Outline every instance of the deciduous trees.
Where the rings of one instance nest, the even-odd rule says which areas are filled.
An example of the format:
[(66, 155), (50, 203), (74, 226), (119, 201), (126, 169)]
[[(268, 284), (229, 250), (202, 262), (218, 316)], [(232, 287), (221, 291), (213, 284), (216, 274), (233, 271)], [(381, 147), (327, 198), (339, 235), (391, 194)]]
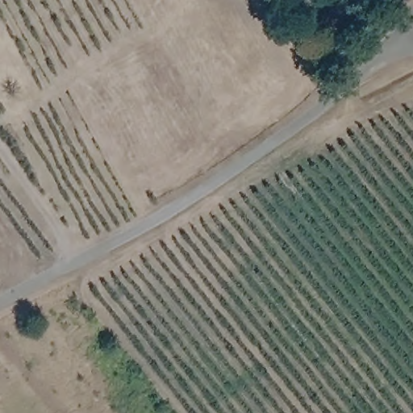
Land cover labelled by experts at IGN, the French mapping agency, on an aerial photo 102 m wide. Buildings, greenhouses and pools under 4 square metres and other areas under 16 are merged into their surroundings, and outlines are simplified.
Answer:
[(265, 245), (263, 248), (253, 244), (252, 239), (226, 210), (226, 206), (219, 203), (219, 210), (224, 218), (239, 232), (248, 247), (252, 248), (248, 253), (237, 244), (231, 232), (227, 231), (216, 215), (210, 213), (211, 221), (223, 234), (221, 239), (211, 231), (205, 218), (200, 216), (200, 224), (206, 234), (215, 240), (236, 268), (231, 271), (224, 265), (223, 260), (203, 239), (194, 224), (190, 224), (190, 231), (213, 255), (213, 260), (216, 260), (224, 273), (231, 277), (229, 282), (219, 276), (210, 260), (192, 242), (189, 234), (184, 229), (179, 229), (182, 239), (186, 240), (206, 269), (215, 276), (227, 294), (231, 295), (237, 307), (244, 311), (248, 321), (257, 327), (257, 331), (265, 337), (269, 347), (273, 348), (277, 357), (281, 358), (284, 366), (294, 374), (298, 384), (305, 389), (323, 413), (413, 413), (413, 150), (405, 142), (402, 134), (395, 131), (394, 126), (384, 118), (382, 124), (389, 129), (398, 144), (407, 150), (411, 160), (403, 158), (402, 153), (390, 144), (390, 140), (384, 136), (379, 126), (374, 126), (373, 129), (390, 152), (394, 153), (405, 171), (398, 173), (398, 169), (384, 155), (381, 147), (371, 139), (366, 129), (361, 131), (361, 137), (374, 148), (376, 155), (392, 171), (395, 176), (392, 181), (374, 161), (373, 156), (369, 155), (368, 150), (361, 145), (355, 134), (350, 136), (350, 139), (360, 150), (360, 155), (355, 155), (345, 144), (342, 148), (348, 155), (347, 161), (339, 156), (336, 163), (331, 165), (331, 161), (323, 155), (311, 155), (310, 158), (300, 161), (298, 165), (302, 166), (302, 176), (308, 184), (302, 187), (295, 177), (290, 177), (290, 182), (297, 189), (295, 194), (292, 194), (279, 179), (276, 181), (277, 186), (271, 187), (268, 184), (266, 187), (269, 194), (273, 195), (273, 202), (266, 200), (258, 190), (255, 192), (255, 197), (263, 205), (260, 210), (250, 202), (250, 198), (242, 198), (268, 229), (273, 239), (266, 239), (260, 229), (252, 223), (252, 219), (237, 205), (236, 200), (229, 198), (229, 203), (237, 215), (244, 219), (261, 244)]
[(89, 323), (94, 321), (97, 316), (94, 308), (87, 307), (82, 300), (77, 300), (76, 294), (71, 294), (66, 300), (69, 310), (79, 311)]
[(236, 319), (248, 340), (258, 348), (258, 352), (265, 357), (298, 402), (302, 403), (307, 413), (315, 413), (290, 379), (284, 376), (276, 361), (269, 357), (263, 345), (248, 331), (236, 311), (229, 307), (226, 298), (221, 297), (218, 290), (208, 281), (208, 277), (198, 269), (186, 248), (182, 248), (176, 237), (171, 236), (173, 244), (179, 248), (190, 268), (200, 276), (203, 284), (218, 298), (227, 313)]
[(392, 29), (407, 32), (413, 24), (413, 0), (265, 0), (269, 10), (265, 18), (261, 19), (263, 31), (268, 35), (268, 39), (274, 40), (276, 44), (292, 44), (295, 66), (310, 76), (311, 81), (316, 82), (316, 87), (319, 102), (327, 103), (331, 98), (334, 102), (339, 102), (345, 102), (348, 97), (357, 95), (360, 76), (357, 66), (371, 60), (381, 50), (381, 37)]
[(245, 365), (239, 353), (218, 331), (210, 316), (206, 315), (189, 290), (182, 286), (179, 277), (173, 274), (160, 255), (148, 245), (152, 257), (173, 279), (177, 289), (181, 290), (187, 302), (211, 327), (215, 336), (223, 342), (227, 352), (231, 353), (232, 358), (242, 368), (242, 374), (237, 374), (236, 369), (229, 365), (223, 353), (219, 352), (219, 348), (211, 342), (208, 334), (197, 323), (197, 319), (182, 305), (174, 290), (166, 284), (160, 274), (156, 273), (144, 255), (140, 255), (140, 261), (148, 269), (148, 273), (155, 277), (156, 282), (153, 284), (137, 268), (134, 261), (129, 261), (129, 265), (152, 292), (148, 297), (124, 268), (119, 268), (116, 273), (110, 271), (113, 284), (108, 284), (105, 277), (100, 277), (100, 282), (124, 311), (124, 315), (137, 327), (137, 331), (145, 337), (147, 344), (155, 352), (152, 357), (145, 352), (144, 345), (140, 344), (139, 339), (127, 329), (123, 319), (119, 318), (116, 311), (106, 303), (94, 282), (89, 282), (89, 290), (98, 302), (102, 303), (113, 321), (121, 327), (121, 331), (131, 340), (137, 352), (152, 366), (156, 376), (165, 382), (165, 386), (173, 392), (182, 407), (186, 408), (187, 413), (298, 413), (281, 387), (277, 386), (260, 361), (237, 336), (234, 327), (227, 323), (227, 319), (216, 310), (210, 298), (198, 287), (194, 277), (182, 268), (165, 240), (160, 240), (163, 252), (173, 261), (181, 274), (186, 276), (190, 286), (197, 290), (206, 307), (215, 313), (219, 323), (234, 337), (253, 366), (248, 368)]
[(103, 329), (97, 336), (100, 350), (105, 348), (106, 352), (113, 352), (119, 345), (118, 339), (110, 329)]
[(148, 398), (156, 413), (177, 413), (169, 405), (168, 400), (163, 400), (155, 390)]
[(21, 319), (16, 324), (23, 336), (39, 339), (44, 334), (48, 324), (45, 316), (40, 313), (39, 316)]

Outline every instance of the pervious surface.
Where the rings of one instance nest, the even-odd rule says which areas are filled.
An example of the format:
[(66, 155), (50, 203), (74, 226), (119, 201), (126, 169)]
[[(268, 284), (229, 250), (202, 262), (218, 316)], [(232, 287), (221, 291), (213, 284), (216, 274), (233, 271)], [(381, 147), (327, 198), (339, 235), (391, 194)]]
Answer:
[(77, 224), (61, 224), (55, 210), (42, 194), (32, 186), (8, 145), (0, 139), (0, 158), (5, 161), (11, 176), (26, 190), (35, 208), (40, 211), (47, 226), (42, 231), (52, 247), (55, 252), (53, 265), (60, 266), (61, 263), (66, 263), (94, 245), (89, 239), (82, 237)]

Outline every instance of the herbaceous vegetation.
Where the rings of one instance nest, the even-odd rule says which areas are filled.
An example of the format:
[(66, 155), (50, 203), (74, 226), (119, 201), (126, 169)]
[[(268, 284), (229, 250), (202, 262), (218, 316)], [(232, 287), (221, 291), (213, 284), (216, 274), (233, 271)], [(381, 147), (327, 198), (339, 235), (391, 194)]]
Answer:
[(40, 211), (35, 208), (26, 190), (11, 176), (5, 161), (0, 158), (0, 177), (11, 190), (11, 194), (15, 195), (16, 200), (26, 208), (27, 215), (31, 216), (35, 226), (42, 231), (47, 226)]
[[(237, 244), (248, 253), (252, 248), (248, 247), (239, 232), (224, 218), (219, 210), (219, 203), (226, 206), (226, 210), (252, 239), (253, 244), (263, 248), (265, 245), (261, 244), (244, 219), (237, 215), (229, 203), (229, 198), (236, 200), (237, 205), (252, 219), (252, 223), (260, 229), (266, 239), (273, 239), (268, 229), (242, 198), (250, 198), (250, 202), (260, 210), (263, 205), (255, 197), (255, 192), (258, 190), (266, 200), (273, 202), (273, 195), (269, 194), (266, 187), (268, 184), (271, 187), (277, 186), (276, 181), (279, 179), (292, 194), (295, 194), (297, 189), (290, 182), (290, 177), (295, 177), (302, 187), (308, 184), (302, 176), (302, 166), (298, 165), (300, 161), (310, 158), (311, 155), (323, 155), (331, 161), (331, 165), (336, 163), (339, 156), (347, 161), (348, 155), (342, 148), (345, 144), (355, 155), (360, 155), (360, 150), (350, 139), (350, 136), (355, 134), (361, 145), (368, 150), (369, 155), (373, 156), (374, 161), (392, 181), (395, 176), (392, 171), (376, 155), (374, 148), (361, 137), (361, 131), (366, 129), (371, 139), (381, 147), (384, 155), (398, 169), (398, 173), (405, 171), (394, 153), (390, 152), (373, 129), (374, 126), (379, 126), (384, 136), (390, 140), (390, 144), (402, 153), (403, 158), (411, 160), (407, 150), (398, 144), (389, 129), (382, 124), (384, 118), (394, 126), (395, 131), (402, 134), (405, 142), (413, 150), (413, 53), (403, 56), (402, 63), (378, 81), (366, 79), (363, 74), (360, 76), (357, 95), (348, 97), (345, 102), (339, 102), (339, 108), (329, 123), (311, 126), (297, 139), (277, 148), (276, 152), (255, 165), (240, 169), (231, 179), (221, 184), (221, 189), (213, 197), (205, 200), (200, 198), (197, 202), (190, 203), (173, 218), (168, 218), (153, 229), (132, 237), (119, 247), (111, 248), (103, 253), (102, 257), (92, 258), (71, 269), (69, 273), (60, 274), (60, 281), (48, 284), (44, 289), (35, 290), (26, 300), (18, 300), (15, 311), (6, 307), (0, 310), (0, 413), (116, 413), (111, 410), (110, 403), (106, 400), (106, 382), (102, 369), (87, 360), (87, 348), (82, 347), (87, 340), (86, 337), (97, 336), (103, 329), (110, 329), (118, 339), (119, 345), (126, 350), (132, 360), (139, 363), (147, 378), (153, 382), (155, 390), (163, 400), (168, 400), (169, 405), (177, 413), (187, 413), (186, 408), (182, 407), (173, 392), (165, 386), (165, 382), (156, 376), (152, 366), (137, 352), (131, 340), (121, 331), (121, 327), (113, 321), (102, 303), (98, 302), (89, 290), (89, 282), (94, 282), (106, 303), (116, 311), (119, 318), (123, 319), (127, 329), (139, 339), (140, 344), (144, 345), (145, 352), (152, 357), (155, 352), (147, 344), (145, 337), (137, 331), (137, 327), (124, 315), (124, 311), (100, 282), (100, 277), (105, 277), (108, 284), (113, 284), (110, 271), (116, 273), (119, 268), (124, 268), (148, 297), (152, 292), (129, 265), (129, 261), (134, 261), (137, 268), (153, 284), (156, 282), (155, 277), (148, 273), (148, 269), (140, 261), (140, 255), (144, 255), (156, 273), (160, 274), (166, 284), (174, 290), (182, 305), (197, 319), (197, 323), (208, 334), (211, 342), (219, 348), (219, 352), (223, 353), (229, 365), (236, 369), (237, 374), (242, 374), (242, 368), (232, 358), (231, 353), (227, 352), (223, 342), (215, 336), (211, 327), (187, 302), (181, 290), (177, 289), (173, 279), (152, 257), (148, 245), (160, 255), (173, 274), (179, 277), (182, 286), (189, 290), (206, 315), (210, 316), (218, 331), (239, 353), (245, 365), (248, 368), (253, 366), (234, 337), (219, 323), (215, 313), (206, 307), (197, 290), (190, 286), (186, 276), (181, 274), (173, 261), (163, 252), (160, 240), (165, 240), (182, 268), (194, 277), (198, 287), (210, 298), (216, 310), (227, 319), (227, 323), (234, 327), (237, 336), (260, 361), (277, 386), (281, 387), (298, 413), (307, 413), (302, 403), (298, 402), (265, 357), (258, 352), (258, 348), (248, 340), (236, 319), (227, 313), (218, 298), (203, 284), (200, 276), (190, 268), (179, 248), (173, 244), (171, 236), (176, 237), (182, 248), (186, 248), (198, 269), (208, 277), (208, 281), (218, 290), (221, 297), (226, 298), (229, 307), (236, 311), (248, 331), (263, 345), (269, 357), (276, 361), (284, 376), (290, 379), (315, 413), (323, 413), (305, 389), (298, 384), (294, 374), (284, 366), (281, 358), (277, 357), (273, 348), (269, 347), (265, 337), (257, 331), (257, 327), (248, 321), (244, 311), (237, 307), (231, 295), (227, 294), (215, 276), (206, 269), (186, 240), (182, 239), (179, 229), (184, 229), (189, 234), (192, 242), (210, 260), (219, 276), (229, 282), (231, 277), (224, 273), (216, 260), (213, 260), (213, 255), (190, 231), (190, 224), (194, 224), (203, 239), (223, 260), (224, 265), (231, 271), (236, 268), (215, 240), (206, 234), (200, 224), (200, 216), (205, 218), (211, 231), (221, 239), (223, 234), (211, 221), (210, 213), (216, 215), (227, 231), (231, 232)], [(69, 310), (66, 300), (71, 294), (76, 294), (77, 300), (82, 300), (87, 307), (94, 308), (97, 316), (94, 321), (89, 323), (79, 311)], [(40, 313), (45, 316), (48, 324), (44, 334), (39, 339), (23, 336), (16, 324), (21, 319), (39, 316)]]
[[(234, 156), (250, 152), (266, 137), (273, 136), (276, 127), (273, 121), (277, 121), (284, 111), (297, 105), (303, 95), (316, 87), (316, 82), (311, 81), (310, 76), (295, 66), (292, 44), (276, 44), (274, 40), (268, 39), (268, 35), (263, 31), (261, 19), (265, 18), (269, 10), (265, 0), (76, 0), (100, 42), (100, 50), (97, 50), (69, 0), (0, 0), (0, 124), (6, 131), (10, 131), (21, 152), (26, 155), (35, 177), (45, 189), (45, 194), (42, 194), (55, 210), (61, 224), (77, 224), (68, 203), (56, 189), (52, 174), (48, 173), (44, 161), (40, 160), (40, 156), (24, 136), (23, 127), (29, 127), (35, 142), (44, 150), (50, 161), (53, 173), (58, 174), (60, 186), (66, 190), (69, 200), (79, 213), (82, 224), (89, 232), (89, 239), (94, 245), (118, 236), (129, 227), (139, 224), (147, 213), (155, 213), (160, 206), (179, 200), (203, 182), (210, 181), (223, 166), (234, 160)], [(76, 35), (66, 24), (60, 8), (68, 11), (69, 18), (89, 48), (89, 55), (82, 52), (82, 48), (77, 44)], [(77, 165), (68, 145), (63, 145), (66, 156), (82, 181), (82, 184), (74, 181), (68, 165), (63, 160), (60, 147), (56, 144), (52, 129), (48, 127), (47, 119), (40, 111), (40, 108), (44, 108), (48, 115), (52, 116), (48, 110), (48, 102), (55, 106), (61, 123), (65, 124), (69, 139), (87, 169), (90, 169), (90, 163), (82, 153), (81, 145), (77, 144), (74, 136), (76, 127), (82, 140), (86, 142), (90, 155), (94, 156), (95, 165), (116, 197), (121, 195), (121, 190), (116, 189), (110, 174), (103, 166), (103, 161), (110, 163), (137, 213), (136, 218), (132, 218), (129, 223), (124, 221), (118, 210), (115, 211), (115, 216), (118, 218), (119, 226), (113, 224), (110, 215), (106, 213), (102, 202), (90, 186), (86, 174), (82, 173)], [(71, 186), (79, 192), (81, 200), (84, 200), (84, 206), (94, 218), (100, 234), (95, 234), (81, 205), (71, 194), (71, 189), (66, 187), (66, 182), (53, 163), (44, 139), (40, 137), (32, 121), (31, 113), (35, 113), (39, 118), (45, 134), (52, 142), (61, 168), (65, 169)]]

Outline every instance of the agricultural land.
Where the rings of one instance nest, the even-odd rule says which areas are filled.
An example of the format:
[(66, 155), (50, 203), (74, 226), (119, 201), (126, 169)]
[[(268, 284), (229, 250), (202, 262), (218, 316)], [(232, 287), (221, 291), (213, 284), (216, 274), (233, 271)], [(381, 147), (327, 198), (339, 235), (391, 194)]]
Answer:
[(8, 200), (0, 187), (0, 198), (40, 252), (40, 257), (34, 257), (34, 253), (29, 250), (26, 242), (15, 231), (15, 227), (11, 226), (5, 213), (0, 210), (0, 297), (23, 286), (24, 282), (40, 276), (40, 271), (47, 271), (53, 265), (55, 252), (52, 247), (44, 247), (31, 227), (27, 226), (18, 208)]

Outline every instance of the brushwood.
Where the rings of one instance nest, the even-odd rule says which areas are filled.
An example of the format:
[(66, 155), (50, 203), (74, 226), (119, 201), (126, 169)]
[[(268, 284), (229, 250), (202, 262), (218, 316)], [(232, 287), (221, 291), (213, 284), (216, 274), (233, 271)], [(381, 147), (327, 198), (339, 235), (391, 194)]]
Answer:
[(39, 118), (35, 113), (31, 113), (32, 121), (40, 137), (44, 139), (53, 163), (66, 182), (66, 187), (71, 189), (71, 194), (81, 205), (95, 234), (100, 234), (94, 218), (84, 206), (84, 200), (81, 200), (79, 192), (71, 186), (65, 169), (61, 168), (52, 142), (45, 134)]
[(77, 224), (82, 237), (89, 239), (89, 232), (82, 224), (79, 213), (69, 200), (66, 190), (60, 186), (58, 174), (53, 173), (50, 161), (44, 150), (35, 142), (29, 127), (23, 127), (24, 136), (40, 156), (40, 160), (44, 161), (48, 173), (52, 174), (56, 189), (68, 203)]
[(32, 186), (42, 194), (45, 194), (45, 189), (35, 177), (26, 155), (21, 152), (10, 131), (6, 131), (0, 124), (0, 139), (8, 145)]
[(76, 35), (77, 44), (82, 48), (82, 52), (89, 55), (89, 48), (69, 18), (68, 11), (60, 8), (66, 24)]
[(52, 129), (56, 144), (60, 147), (63, 160), (68, 165), (74, 181), (82, 184), (82, 181), (66, 156), (63, 145), (68, 145), (77, 165), (82, 173), (86, 174), (90, 186), (102, 202), (106, 213), (110, 215), (113, 224), (119, 226), (118, 218), (115, 216), (115, 211), (118, 210), (124, 221), (129, 223), (132, 218), (136, 218), (137, 213), (110, 163), (103, 161), (103, 166), (110, 174), (116, 189), (121, 190), (121, 195), (116, 197), (95, 165), (94, 156), (90, 155), (86, 142), (82, 140), (76, 127), (74, 136), (77, 144), (81, 145), (82, 153), (90, 163), (90, 169), (87, 169), (69, 139), (65, 124), (61, 123), (55, 106), (48, 102), (48, 110), (52, 116), (48, 115), (44, 108), (40, 108), (40, 111), (47, 119), (48, 127)]
[(97, 50), (100, 50), (100, 42), (76, 0), (69, 0)]
[(31, 216), (27, 215), (26, 208), (16, 200), (15, 195), (11, 194), (11, 190), (0, 177), (0, 187), (8, 200), (18, 208), (27, 226), (31, 227), (44, 247), (52, 247), (42, 231), (35, 226)]
[(40, 257), (40, 252), (0, 198), (0, 210), (5, 213), (11, 226), (15, 227), (15, 231), (26, 242), (29, 250), (34, 253), (34, 257)]
[(126, 350), (119, 345), (113, 352), (106, 352), (105, 348), (100, 350), (97, 336), (86, 337), (87, 340), (82, 347), (87, 348), (87, 360), (102, 369), (106, 382), (106, 400), (110, 403), (111, 410), (116, 413), (156, 413), (148, 398), (155, 390), (153, 382), (147, 378), (139, 363), (132, 360)]

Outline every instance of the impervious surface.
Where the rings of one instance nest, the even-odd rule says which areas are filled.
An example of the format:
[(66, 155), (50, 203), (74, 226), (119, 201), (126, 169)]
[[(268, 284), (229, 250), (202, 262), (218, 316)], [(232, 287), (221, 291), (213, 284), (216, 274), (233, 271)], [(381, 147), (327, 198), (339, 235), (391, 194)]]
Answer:
[(392, 29), (381, 37), (381, 50), (371, 60), (357, 66), (360, 76), (363, 74), (366, 79), (378, 81), (402, 63), (403, 56), (413, 53), (413, 24), (407, 32)]
[(129, 227), (118, 236), (94, 245), (66, 263), (61, 263), (60, 266), (53, 265), (47, 271), (40, 271), (40, 276), (24, 282), (23, 286), (0, 297), (0, 310), (6, 307), (15, 311), (18, 300), (26, 300), (35, 290), (44, 289), (48, 284), (60, 281), (60, 274), (69, 273), (71, 269), (92, 258), (102, 257), (103, 253), (111, 248), (119, 247), (132, 237), (153, 229), (168, 218), (173, 218), (190, 203), (197, 202), (200, 198), (205, 200), (213, 197), (221, 189), (221, 184), (231, 179), (240, 169), (255, 165), (276, 152), (277, 148), (297, 139), (311, 126), (329, 123), (339, 108), (339, 102), (334, 102), (331, 98), (327, 103), (319, 102), (316, 87), (303, 95), (297, 105), (284, 111), (277, 121), (273, 121), (276, 127), (273, 136), (266, 137), (250, 152), (234, 156), (234, 160), (223, 166), (210, 181), (203, 182), (179, 200), (160, 206), (155, 213), (147, 213), (139, 224)]

